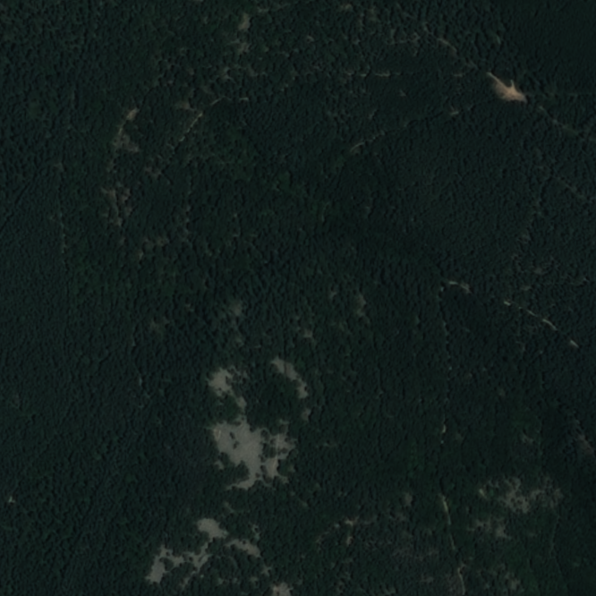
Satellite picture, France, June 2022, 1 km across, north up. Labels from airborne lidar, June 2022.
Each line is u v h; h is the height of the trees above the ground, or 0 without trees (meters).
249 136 28
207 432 11
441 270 30
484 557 21
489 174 28
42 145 15
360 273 17
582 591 18
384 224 16
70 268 20
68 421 20
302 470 20
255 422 13
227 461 21
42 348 24
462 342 33
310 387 10
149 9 19
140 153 11
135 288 15
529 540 20
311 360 18
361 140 13
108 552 16
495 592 14
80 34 21
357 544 15
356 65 16
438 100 21
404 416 22
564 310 17
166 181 26
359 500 29
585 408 19
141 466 17
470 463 22
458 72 15
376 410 25
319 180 21
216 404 15
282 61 22
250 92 17
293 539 9
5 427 19
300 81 26
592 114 9
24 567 18
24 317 17
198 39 21
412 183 21
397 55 17
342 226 20
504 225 23
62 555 17
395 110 19
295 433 18
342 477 29
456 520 13
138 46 10
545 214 6
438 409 16
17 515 9
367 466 15
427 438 18
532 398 30
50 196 20
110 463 20
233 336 13
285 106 22
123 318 25
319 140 26
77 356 14
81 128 15
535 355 22
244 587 23
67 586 22
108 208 11
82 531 23
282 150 22
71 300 18
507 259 17
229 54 7
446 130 23
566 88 14
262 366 19
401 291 32
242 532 20
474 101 20
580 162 19
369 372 22
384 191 9
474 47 10
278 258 16
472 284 24
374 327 13
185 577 12
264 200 17
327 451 21
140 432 16
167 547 13
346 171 21
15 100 21
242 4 19
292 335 22
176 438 19
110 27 11
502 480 15
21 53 18
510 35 24
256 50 17
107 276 16
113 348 23
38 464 15
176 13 15
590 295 18
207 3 16
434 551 6
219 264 24
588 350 21
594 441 21
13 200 6
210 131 9
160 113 22
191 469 16
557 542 13
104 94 15
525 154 25
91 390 21
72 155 11
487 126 27
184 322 11
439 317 23
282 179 20
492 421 19
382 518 26
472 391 25
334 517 16
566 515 16
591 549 21
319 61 19
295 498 13
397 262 11
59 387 20
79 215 12
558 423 26
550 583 16
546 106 9
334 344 17
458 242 21
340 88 12
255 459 0
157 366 23
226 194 23
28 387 16
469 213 24
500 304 26
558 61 20
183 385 25
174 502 19
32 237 19
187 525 12
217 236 22
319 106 26
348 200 23
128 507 19
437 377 20
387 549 7
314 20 7
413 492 6
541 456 11
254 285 13
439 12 25
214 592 19
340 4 14
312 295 17
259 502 11
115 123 17
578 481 19
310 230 25
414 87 21
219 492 22
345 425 24
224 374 0
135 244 19
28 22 14
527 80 6
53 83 23
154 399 16
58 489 17
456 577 19
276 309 13
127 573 12
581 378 22
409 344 22
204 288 6
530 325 23
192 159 8
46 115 7
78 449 12
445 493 18
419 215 14
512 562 17
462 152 21
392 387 17
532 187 18
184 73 19
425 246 15
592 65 18
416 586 13
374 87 15
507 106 17
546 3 17
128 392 23
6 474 13
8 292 19
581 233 18
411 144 21
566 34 18
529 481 15
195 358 19
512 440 10
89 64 23
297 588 16
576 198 25
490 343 32
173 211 10
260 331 20
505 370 25
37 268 19
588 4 17
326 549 15
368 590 18
